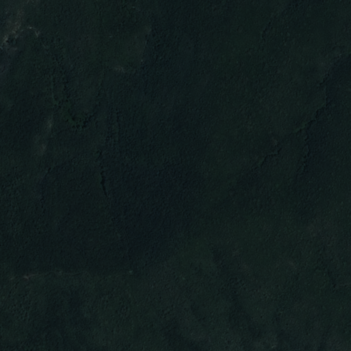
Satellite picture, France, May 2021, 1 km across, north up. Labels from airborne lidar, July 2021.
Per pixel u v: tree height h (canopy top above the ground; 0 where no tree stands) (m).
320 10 7
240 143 8
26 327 9
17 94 11
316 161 8
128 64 8
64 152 9
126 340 7
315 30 6
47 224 12
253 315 6
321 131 7
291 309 6
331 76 11
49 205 14
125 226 12
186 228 10
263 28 9
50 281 7
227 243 7
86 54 6
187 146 6
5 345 11
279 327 7
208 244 6
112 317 9
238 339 5
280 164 7
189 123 6
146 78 5
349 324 9
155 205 11
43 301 8
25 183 10
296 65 6
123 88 8
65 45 8
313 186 7
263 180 10
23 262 14
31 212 9
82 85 8
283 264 7
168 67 6
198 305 6
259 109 9
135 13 6
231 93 7
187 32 6
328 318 6
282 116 7
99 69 16
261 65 7
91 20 7
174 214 9
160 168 7
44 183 8
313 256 6
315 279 6
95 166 11
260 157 8
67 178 14
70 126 18
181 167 14
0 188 10
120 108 9
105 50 7
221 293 10
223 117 5
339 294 7
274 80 8
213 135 7
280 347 8
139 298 6
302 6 6
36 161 8
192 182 12
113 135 17
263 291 6
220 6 8
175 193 10
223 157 7
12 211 15
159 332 6
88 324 9
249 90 6
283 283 6
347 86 8
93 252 14
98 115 9
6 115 12
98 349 7
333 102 11
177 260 7
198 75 8
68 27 7
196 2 7
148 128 6
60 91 19
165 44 6
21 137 13
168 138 8
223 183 6
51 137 14
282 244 7
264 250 9
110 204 19
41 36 11
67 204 9
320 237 5
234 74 6
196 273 9
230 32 6
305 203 11
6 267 6
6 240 14
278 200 7
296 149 7
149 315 6
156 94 7
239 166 9
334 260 8
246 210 8
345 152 7
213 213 9
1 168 7
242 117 7
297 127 7
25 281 6
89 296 7
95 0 8
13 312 12
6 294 7
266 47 5
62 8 10
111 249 15
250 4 5
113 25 9
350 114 9
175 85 7
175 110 8
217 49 7
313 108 7
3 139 10
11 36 13
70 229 17
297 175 10
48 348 12
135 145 10
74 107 9
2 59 7
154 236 10
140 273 10
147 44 8
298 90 7
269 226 6
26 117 16
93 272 10
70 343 10
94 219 21
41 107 16
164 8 6
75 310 8
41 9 7
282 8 6
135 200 8
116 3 11
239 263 8
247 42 6
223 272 10
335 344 5
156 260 6
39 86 15
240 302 8
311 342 7
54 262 10
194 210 6
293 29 6
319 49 6
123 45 6
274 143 17
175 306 8
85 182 16
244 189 7
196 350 17
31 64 9
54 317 12
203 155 6
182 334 10
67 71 11
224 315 6
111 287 7
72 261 13
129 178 14
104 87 8
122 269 9
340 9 6
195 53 6
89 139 11
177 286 7
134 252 13
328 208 7
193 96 6
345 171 8
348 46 6
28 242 18
